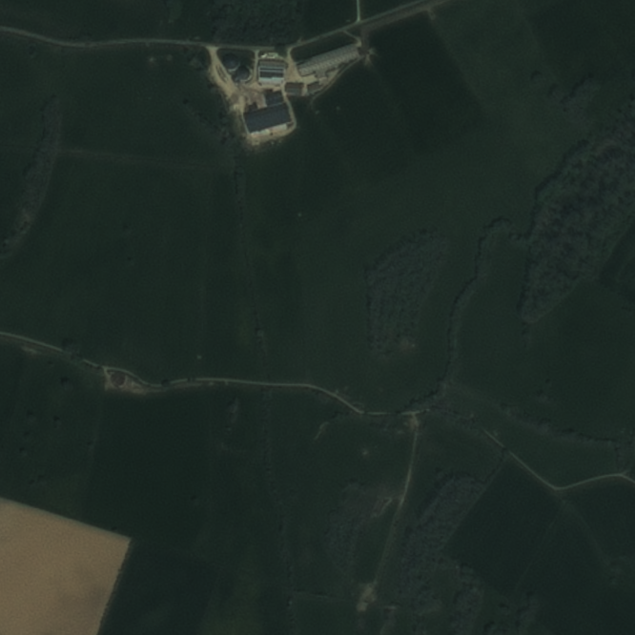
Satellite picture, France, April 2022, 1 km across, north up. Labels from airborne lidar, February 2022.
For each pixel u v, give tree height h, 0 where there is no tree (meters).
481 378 0
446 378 7
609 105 0
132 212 0
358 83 0
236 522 0
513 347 0
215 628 0
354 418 0
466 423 16
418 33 0
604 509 0
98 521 0
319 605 0
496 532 0
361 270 0
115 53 0
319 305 0
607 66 0
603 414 0
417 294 18
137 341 0
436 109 0
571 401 0
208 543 0
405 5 0
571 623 0
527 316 21
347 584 0
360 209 0
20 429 0
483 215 0
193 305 0
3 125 0
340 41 0
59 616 0
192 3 0
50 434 0
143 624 0
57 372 0
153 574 0
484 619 0
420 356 0
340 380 0
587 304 0
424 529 20
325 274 0
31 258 0
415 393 0
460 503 22
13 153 0
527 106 0
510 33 0
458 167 0
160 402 0
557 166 0
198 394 0
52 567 0
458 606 17
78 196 0
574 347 0
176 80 0
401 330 13
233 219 0
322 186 0
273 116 0
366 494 0
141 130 0
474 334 0
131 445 0
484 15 0
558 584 0
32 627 0
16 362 0
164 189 0
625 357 0
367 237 0
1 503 0
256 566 0
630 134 26
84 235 0
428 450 0
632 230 0
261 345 8
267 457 7
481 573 0
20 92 0
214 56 0
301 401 0
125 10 0
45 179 21
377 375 0
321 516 0
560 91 16
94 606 0
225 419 0
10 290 0
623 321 0
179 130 0
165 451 0
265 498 0
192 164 0
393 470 0
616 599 0
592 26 0
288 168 0
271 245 0
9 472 0
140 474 0
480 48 0
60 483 0
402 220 0
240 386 0
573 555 0
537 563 0
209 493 0
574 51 0
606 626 0
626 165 26
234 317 0
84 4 0
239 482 0
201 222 0
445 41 0
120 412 0
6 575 0
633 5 0
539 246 19
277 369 0
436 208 0
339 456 0
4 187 0
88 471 0
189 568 0
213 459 0
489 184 0
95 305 0
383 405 0
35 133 0
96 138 0
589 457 0
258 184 0
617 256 0
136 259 0
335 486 0
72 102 0
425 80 0
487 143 0
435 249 19
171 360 0
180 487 0
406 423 0
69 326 0
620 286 0
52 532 0
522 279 0
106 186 0
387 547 0
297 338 0
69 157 0
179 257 0
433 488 0
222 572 0
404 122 0
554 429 6
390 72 0
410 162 0
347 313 0
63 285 0
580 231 27
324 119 0
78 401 0
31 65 0
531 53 0
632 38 0
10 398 0
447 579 0
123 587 0
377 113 0
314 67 0
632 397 0
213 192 0
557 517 0
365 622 0
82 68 0
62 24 0
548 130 0
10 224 0
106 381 0
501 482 0
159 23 0
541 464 0
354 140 0
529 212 0
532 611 15
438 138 0
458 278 0
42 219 0
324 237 0
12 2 0
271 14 14
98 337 0
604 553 0
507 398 0
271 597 0
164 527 0
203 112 0
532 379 0
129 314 0
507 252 0
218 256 0
